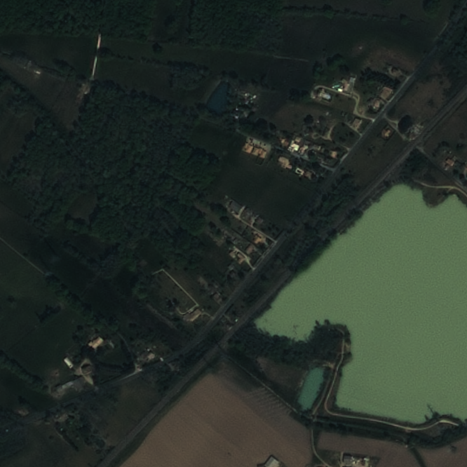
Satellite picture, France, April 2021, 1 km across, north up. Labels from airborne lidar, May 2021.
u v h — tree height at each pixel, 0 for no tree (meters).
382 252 0
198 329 11
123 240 22
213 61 0
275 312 0
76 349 0
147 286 7
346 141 9
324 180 7
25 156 15
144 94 0
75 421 9
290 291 0
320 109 0
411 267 0
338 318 0
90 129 20
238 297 0
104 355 16
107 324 17
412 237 0
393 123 0
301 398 0
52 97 0
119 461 0
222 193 0
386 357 0
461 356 0
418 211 0
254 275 0
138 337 8
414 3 0
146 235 21
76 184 20
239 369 0
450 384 0
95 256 0
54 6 23
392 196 0
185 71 26
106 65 0
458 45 11
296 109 0
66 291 20
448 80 0
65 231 0
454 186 0
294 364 15
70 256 0
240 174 0
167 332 0
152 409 0
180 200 17
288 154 14
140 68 0
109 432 0
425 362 0
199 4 17
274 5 20
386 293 0
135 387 0
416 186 14
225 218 16
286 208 0
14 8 22
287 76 0
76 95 0
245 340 21
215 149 0
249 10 21
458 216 0
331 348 8
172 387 8
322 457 0
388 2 15
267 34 21
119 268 21
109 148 19
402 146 0
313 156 16
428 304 0
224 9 18
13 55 11
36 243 0
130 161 21
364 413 0
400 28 0
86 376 0
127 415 0
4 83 22
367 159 0
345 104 0
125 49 0
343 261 0
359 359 0
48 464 0
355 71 0
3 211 0
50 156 15
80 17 23
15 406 0
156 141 17
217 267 0
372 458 0
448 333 0
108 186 22
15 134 0
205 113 19
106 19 18
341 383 0
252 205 0
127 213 21
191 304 0
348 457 0
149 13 20
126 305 0
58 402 0
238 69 0
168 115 15
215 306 0
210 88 0
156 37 0
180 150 25
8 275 0
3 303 0
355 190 15
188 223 28
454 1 0
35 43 0
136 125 22
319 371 0
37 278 0
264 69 0
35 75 0
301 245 11
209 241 0
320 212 14
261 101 0
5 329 0
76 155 16
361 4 0
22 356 0
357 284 0
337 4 0
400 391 0
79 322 0
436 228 0
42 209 11
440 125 0
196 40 15
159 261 0
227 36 22
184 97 0
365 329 0
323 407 0
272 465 0
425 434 0
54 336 0
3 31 18
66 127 0
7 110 8
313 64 0
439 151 12
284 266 10
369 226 0
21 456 0
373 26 0
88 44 0
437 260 0
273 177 0
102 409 14
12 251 0
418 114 0
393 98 0
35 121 0
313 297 0
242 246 0
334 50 0
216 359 0
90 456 0
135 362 10
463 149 12
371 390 0
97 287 0
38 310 0
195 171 27
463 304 0
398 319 0
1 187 0
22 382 0
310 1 0
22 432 16
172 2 0
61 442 0
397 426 0
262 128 10
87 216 0
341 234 11
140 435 0
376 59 0
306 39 0
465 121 0
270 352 16
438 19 0
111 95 23
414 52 0
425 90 0
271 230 11
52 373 0
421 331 0
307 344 14
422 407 0
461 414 0
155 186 18
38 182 8
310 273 0
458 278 0
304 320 0
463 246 0
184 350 0
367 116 0
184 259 18
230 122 6
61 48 0
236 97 16
